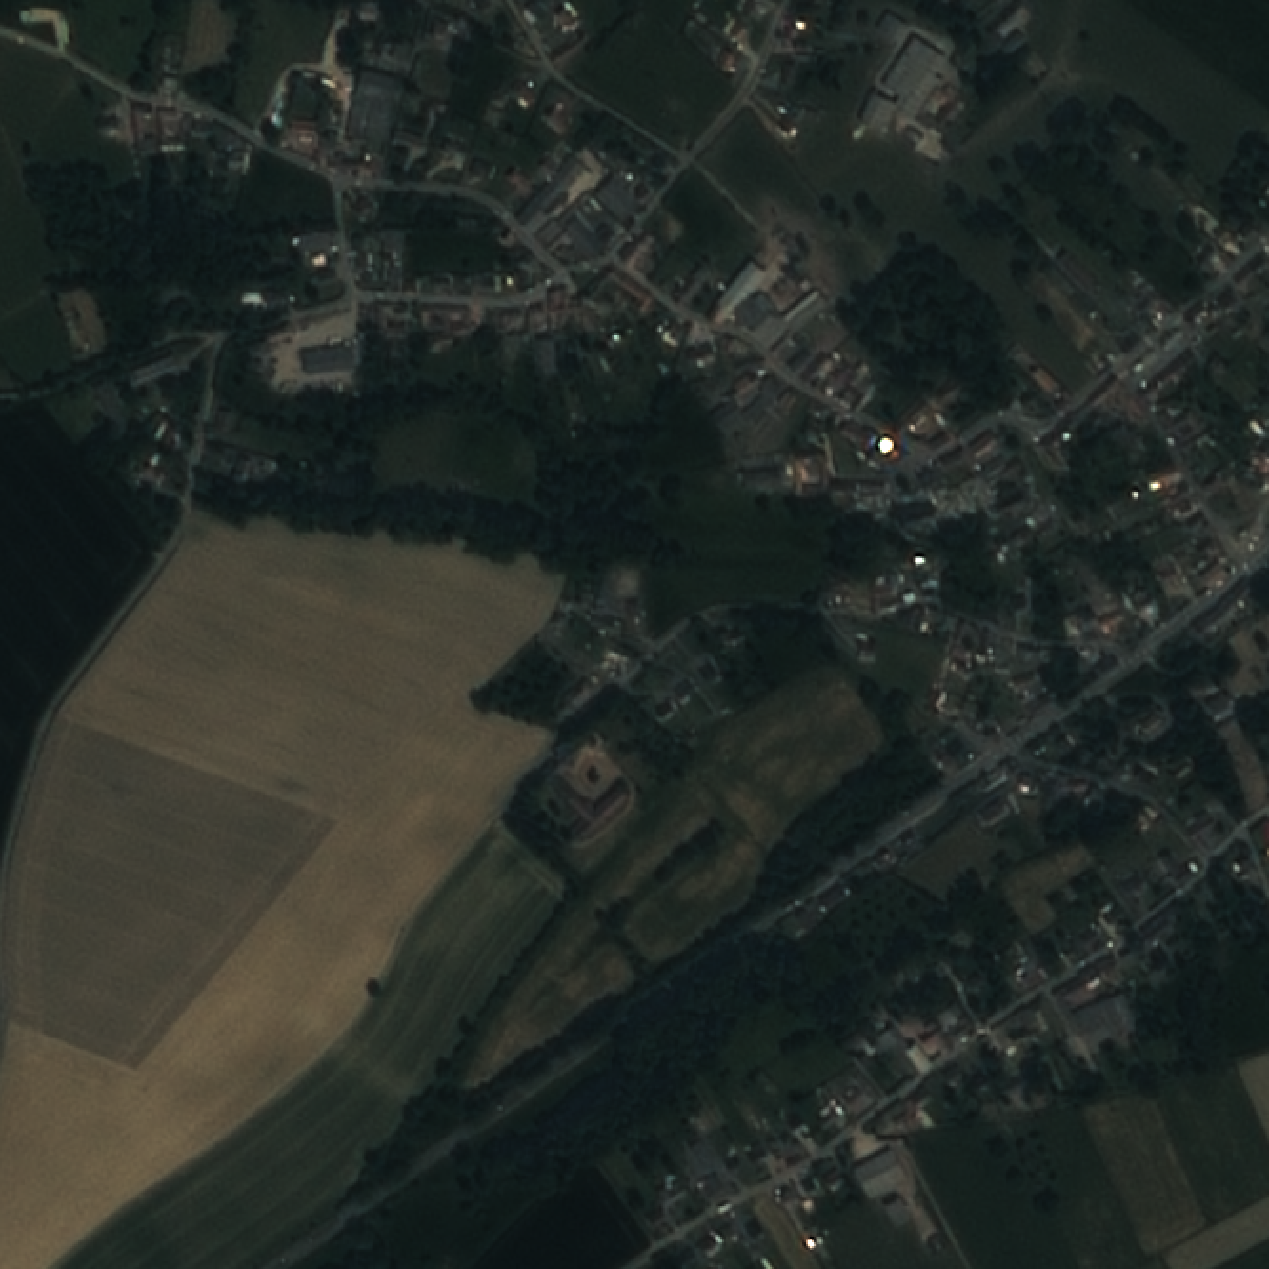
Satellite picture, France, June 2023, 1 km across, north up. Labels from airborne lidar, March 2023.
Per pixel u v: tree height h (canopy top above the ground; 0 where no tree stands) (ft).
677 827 0
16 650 0
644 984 25
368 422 73
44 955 0
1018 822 0
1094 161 51
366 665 0
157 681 0
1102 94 0
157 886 0
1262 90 0
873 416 0
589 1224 0
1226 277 0
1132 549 30
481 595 0
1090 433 22
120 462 20
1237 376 0
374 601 0
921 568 0
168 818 0
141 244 74
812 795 0
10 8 0
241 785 0
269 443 0
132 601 0
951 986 21
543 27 0
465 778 0
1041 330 0
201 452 0
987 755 0
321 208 0
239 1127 0
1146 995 24
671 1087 68
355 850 0
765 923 0
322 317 0
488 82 0
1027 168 65
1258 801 0
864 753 0
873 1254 0
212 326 19
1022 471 23
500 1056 0
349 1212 0
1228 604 0
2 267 0
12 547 0
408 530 76
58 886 0
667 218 0
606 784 0
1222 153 0
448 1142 0
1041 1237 0
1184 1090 0
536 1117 0
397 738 0
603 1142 75
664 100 0
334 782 0
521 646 0
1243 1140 0
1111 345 0
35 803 0
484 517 88
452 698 0
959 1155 0
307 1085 0
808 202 0
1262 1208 0
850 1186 35
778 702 0
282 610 0
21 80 0
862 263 0
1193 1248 0
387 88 0
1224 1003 22
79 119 0
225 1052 0
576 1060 0
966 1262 0
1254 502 0
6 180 0
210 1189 0
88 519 0
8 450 0
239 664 0
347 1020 0
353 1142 0
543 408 31
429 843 0
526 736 0
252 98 0
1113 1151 0
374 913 0
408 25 0
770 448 0
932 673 0
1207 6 0
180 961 0
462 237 0
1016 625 0
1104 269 0
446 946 0
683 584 0
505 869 0
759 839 0
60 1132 0
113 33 0
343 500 96
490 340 34
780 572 0
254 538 0
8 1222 0
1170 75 0
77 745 0
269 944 0
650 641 0
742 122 0
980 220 53
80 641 0
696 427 0
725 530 0
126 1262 0
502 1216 0
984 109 0
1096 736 43
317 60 0
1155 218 41
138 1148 0
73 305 0
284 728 0
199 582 0
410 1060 0
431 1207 0
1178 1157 0
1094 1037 0
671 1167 27
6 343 0
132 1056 0
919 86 0
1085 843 31
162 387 54
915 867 0
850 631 0
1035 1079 78
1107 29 0
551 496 62
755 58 0
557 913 23
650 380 0
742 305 0
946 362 47
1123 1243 0
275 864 0
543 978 0
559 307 0
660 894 0
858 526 62
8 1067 0
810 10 30
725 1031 79
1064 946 34
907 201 0
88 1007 0
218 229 36
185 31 0
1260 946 26
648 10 0
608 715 23
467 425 0
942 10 73
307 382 0
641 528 104
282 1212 0
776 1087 0
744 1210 0
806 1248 0
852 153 0
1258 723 49
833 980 0
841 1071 0
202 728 0
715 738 0
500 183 0
